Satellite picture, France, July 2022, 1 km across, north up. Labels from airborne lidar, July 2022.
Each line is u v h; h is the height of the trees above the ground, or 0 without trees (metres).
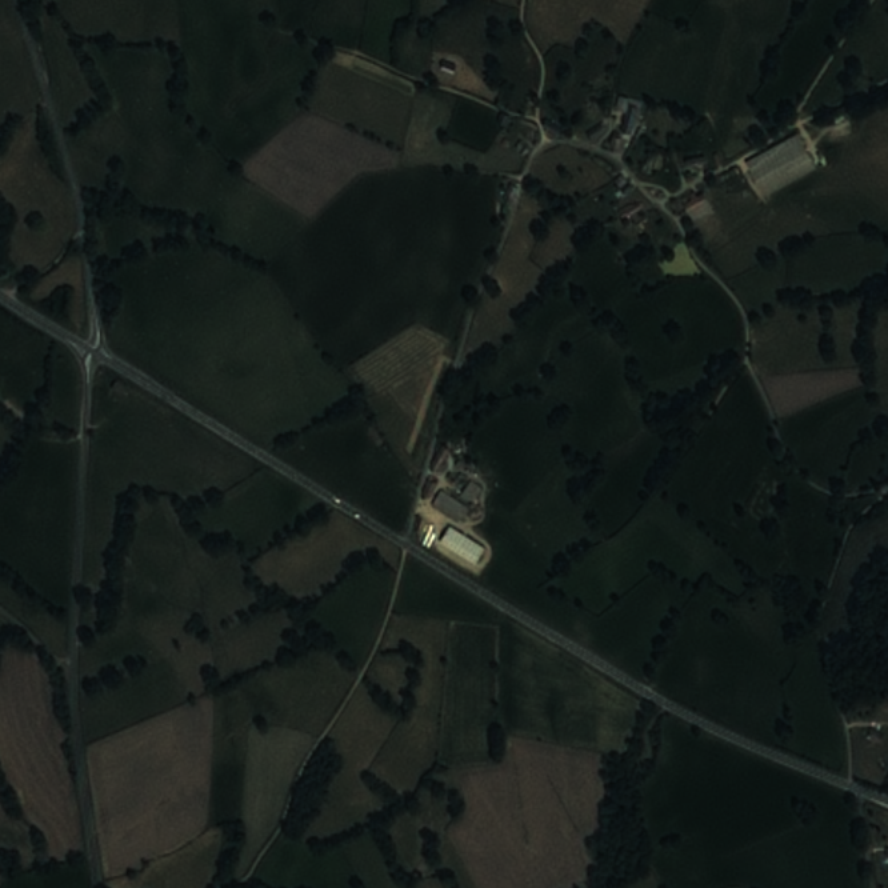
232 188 0
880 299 29
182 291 0
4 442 0
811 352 0
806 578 0
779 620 0
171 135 0
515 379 0
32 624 0
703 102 0
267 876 0
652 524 0
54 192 0
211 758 0
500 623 0
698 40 0
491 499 0
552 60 0
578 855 0
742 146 0
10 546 0
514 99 0
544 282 16
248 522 0
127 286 0
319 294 0
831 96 0
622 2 0
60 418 0
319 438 0
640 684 0
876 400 13
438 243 0
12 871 13
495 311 0
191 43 0
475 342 0
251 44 0
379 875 0
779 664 0
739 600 8
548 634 0
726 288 0
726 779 0
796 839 0
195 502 17
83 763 0
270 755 0
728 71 0
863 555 0
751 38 0
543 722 0
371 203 0
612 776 11
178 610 0
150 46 10
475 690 0
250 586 11
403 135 0
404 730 0
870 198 0
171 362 0
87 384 0
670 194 0
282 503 0
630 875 13
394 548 0
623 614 0
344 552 0
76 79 0
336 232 0
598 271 0
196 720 0
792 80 0
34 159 0
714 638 0
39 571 0
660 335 0
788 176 0
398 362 0
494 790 0
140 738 0
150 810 0
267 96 0
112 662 0
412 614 0
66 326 0
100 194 8
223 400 0
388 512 0
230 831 7
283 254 0
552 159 0
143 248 20
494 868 0
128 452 0
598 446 0
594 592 0
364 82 0
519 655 0
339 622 0
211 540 19
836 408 0
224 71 0
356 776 0
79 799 0
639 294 8
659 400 15
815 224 0
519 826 0
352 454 0
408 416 0
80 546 0
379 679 0
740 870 0
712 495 0
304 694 0
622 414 0
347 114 0
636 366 17
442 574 0
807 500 0
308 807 13
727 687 0
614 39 16
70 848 0
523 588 0
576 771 0
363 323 0
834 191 0
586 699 0
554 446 0
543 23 0
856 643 18
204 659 0
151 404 0
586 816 0
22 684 0
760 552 0
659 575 20
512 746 0
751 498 0
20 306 0
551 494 0
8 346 0
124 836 0
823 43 0
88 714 0
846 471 9
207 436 0
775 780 0
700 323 0
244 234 0
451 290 0
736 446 0
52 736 0
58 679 10
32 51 0
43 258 0
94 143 0
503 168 0
